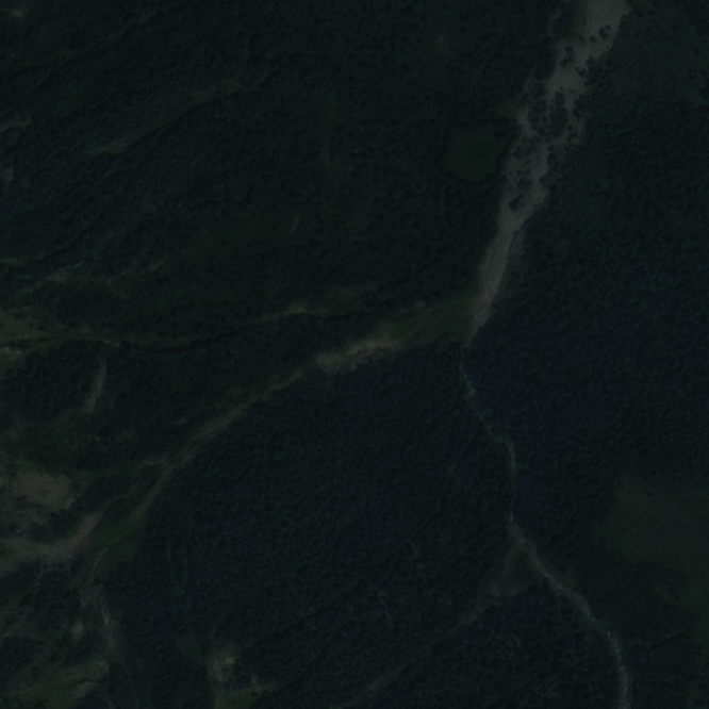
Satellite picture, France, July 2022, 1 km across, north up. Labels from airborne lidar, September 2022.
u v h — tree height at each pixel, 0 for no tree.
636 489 0
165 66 19
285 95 13
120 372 14
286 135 13
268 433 14
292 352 16
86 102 17
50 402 14
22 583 11
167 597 14
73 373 9
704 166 13
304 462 18
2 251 9
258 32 11
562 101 8
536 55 11
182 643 0
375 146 12
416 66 9
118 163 12
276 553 18
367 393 34
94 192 13
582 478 16
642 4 0
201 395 9
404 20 8
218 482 11
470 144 0
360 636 34
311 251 13
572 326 26
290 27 10
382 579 23
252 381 7
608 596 14
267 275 10
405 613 30
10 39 13
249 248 16
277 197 16
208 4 22
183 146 11
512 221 0
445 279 9
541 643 20
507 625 19
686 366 11
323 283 15
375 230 20
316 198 10
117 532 0
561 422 11
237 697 0
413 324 0
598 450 10
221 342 11
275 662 16
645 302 7
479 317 0
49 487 0
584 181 7
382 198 11
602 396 16
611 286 6
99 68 16
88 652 5
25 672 0
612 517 0
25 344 7
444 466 22
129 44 17
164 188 10
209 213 11
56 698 0
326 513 27
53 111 16
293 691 16
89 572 0
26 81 15
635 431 22
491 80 17
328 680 15
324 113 8
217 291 13
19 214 12
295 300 9
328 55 15
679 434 10
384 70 9
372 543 30
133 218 16
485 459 24
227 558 15
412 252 11
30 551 0
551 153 6
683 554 0
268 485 20
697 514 0
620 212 6
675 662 6
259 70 9
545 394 21
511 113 0
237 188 12
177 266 9
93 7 12
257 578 9
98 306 9
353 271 9
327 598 16
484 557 17
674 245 13
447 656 18
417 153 9
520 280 15
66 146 17
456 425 19
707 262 12
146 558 8
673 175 18
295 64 13
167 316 10
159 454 6
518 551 0
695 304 10
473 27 6
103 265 8
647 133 10
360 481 30
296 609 15
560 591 0
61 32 13
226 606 17
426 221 9
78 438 7
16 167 9
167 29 15
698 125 13
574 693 23
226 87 10
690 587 0
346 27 13
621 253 7
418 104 19
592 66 7
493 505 21
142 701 0
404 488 26
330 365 0
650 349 11
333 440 29
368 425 27
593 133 6
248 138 14
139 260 8
